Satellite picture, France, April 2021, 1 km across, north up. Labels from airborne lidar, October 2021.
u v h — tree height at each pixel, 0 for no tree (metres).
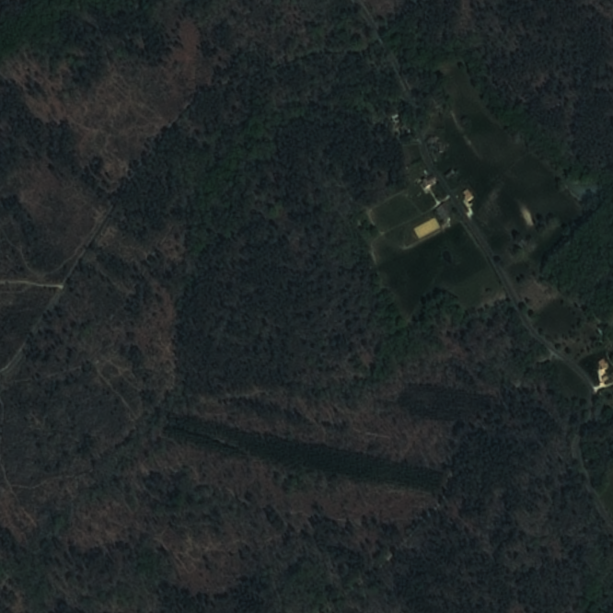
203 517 6
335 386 22
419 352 20
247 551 9
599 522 14
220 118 23
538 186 0
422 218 0
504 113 23
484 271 0
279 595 15
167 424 11
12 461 8
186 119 19
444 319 16
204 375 23
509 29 12
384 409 10
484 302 0
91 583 9
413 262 0
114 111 0
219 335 15
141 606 12
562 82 7
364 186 0
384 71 16
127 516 9
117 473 20
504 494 10
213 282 26
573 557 18
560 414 7
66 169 23
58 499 11
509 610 18
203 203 25
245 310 9
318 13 12
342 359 15
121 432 9
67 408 8
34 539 16
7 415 9
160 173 26
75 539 6
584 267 21
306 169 26
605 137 20
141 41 12
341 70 18
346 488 17
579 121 21
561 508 8
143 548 18
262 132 23
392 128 9
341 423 11
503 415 24
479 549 18
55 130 10
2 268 8
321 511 16
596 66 19
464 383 19
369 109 14
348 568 14
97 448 16
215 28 8
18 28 24
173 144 28
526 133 18
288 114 23
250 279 22
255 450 13
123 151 0
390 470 9
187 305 17
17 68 8
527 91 24
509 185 0
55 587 18
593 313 14
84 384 7
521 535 12
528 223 0
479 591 20
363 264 21
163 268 10
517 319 20
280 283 20
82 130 0
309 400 15
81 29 17
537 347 17
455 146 0
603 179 18
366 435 6
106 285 21
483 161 0
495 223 0
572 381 0
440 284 0
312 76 8
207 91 16
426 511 7
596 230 23
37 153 25
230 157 20
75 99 13
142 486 16
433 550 14
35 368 9
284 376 19
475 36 15
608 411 16
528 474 17
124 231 25
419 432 13
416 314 0
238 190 27
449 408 7
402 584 19
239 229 17
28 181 0
